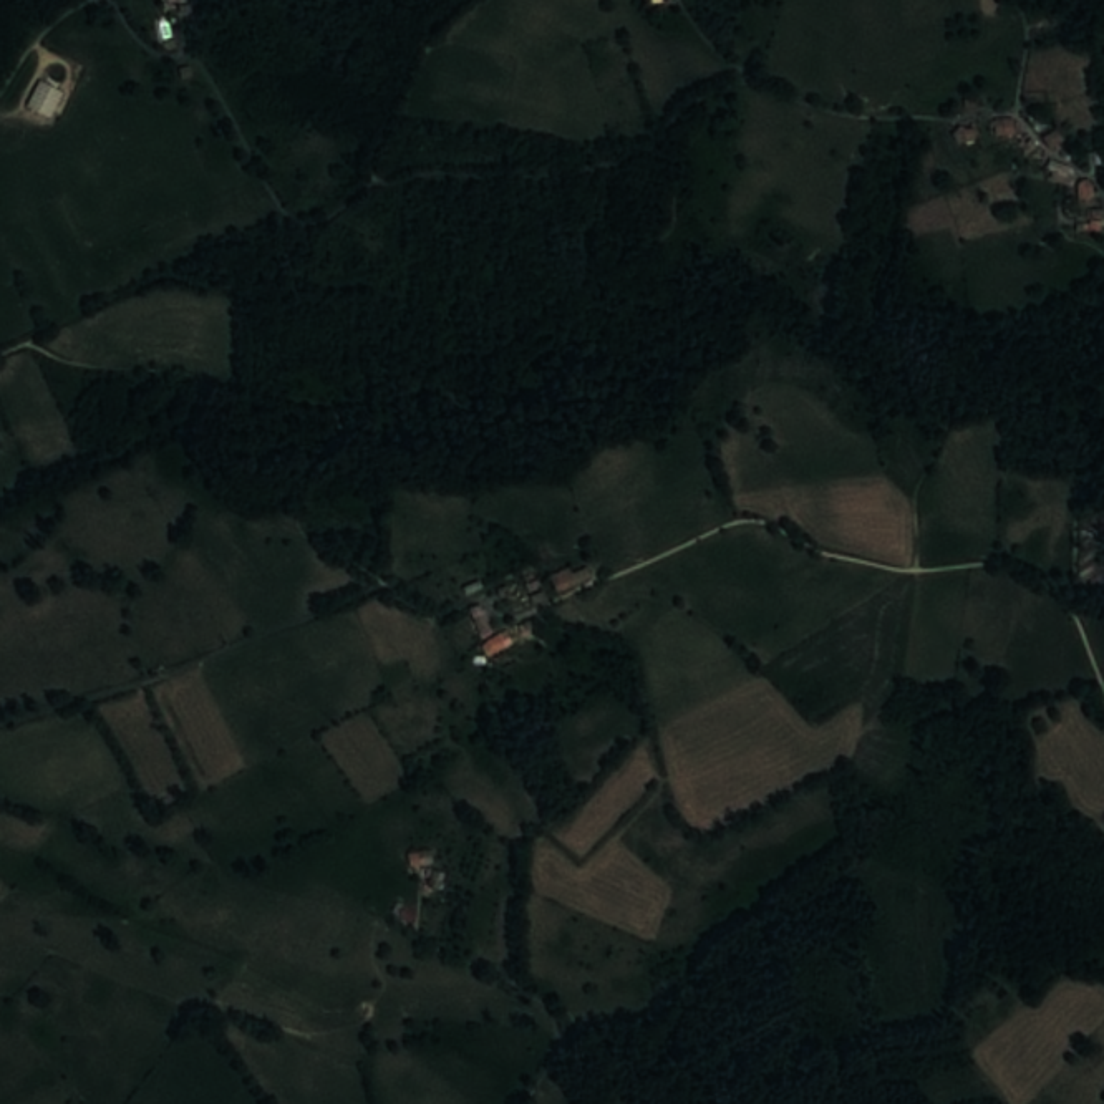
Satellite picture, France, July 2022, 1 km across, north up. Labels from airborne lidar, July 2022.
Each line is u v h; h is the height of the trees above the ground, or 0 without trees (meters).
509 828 0
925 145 16
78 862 0
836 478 0
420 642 0
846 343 30
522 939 18
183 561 0
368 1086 9
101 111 0
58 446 0
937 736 17
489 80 0
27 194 0
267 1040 20
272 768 0
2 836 0
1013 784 21
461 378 28
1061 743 0
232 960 0
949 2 0
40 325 13
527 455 31
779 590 0
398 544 0
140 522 0
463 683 0
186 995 0
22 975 0
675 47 0
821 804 0
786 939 30
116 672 0
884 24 0
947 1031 24
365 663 0
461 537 0
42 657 0
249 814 0
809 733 0
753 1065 34
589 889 0
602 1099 25
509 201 16
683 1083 24
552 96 0
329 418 8
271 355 14
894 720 12
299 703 0
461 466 24
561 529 0
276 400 16
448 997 0
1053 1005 0
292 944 0
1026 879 22
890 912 0
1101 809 0
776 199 0
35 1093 0
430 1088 0
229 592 0
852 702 0
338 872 0
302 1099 0
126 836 0
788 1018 26
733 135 13
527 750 27
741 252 13
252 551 0
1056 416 16
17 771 0
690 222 6
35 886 0
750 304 17
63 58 0
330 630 0
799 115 0
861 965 23
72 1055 0
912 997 0
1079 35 20
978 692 0
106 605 0
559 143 11
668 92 0
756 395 0
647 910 0
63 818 0
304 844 11
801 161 0
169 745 7
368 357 15
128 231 0
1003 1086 0
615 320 29
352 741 0
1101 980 19
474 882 9
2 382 0
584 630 16
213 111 10
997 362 24
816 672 0
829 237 0
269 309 20
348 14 19
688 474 0
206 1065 0
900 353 22
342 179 13
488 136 15
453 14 14
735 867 0
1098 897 12
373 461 23
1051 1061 0
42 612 0
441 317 7
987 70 0
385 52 13
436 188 14
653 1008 0
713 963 24
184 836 0
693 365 15
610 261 30
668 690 0
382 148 18
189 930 0
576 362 31
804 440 0
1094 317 19
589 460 14
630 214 14
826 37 0
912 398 20
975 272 0
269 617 0
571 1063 25
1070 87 0
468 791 0
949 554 0
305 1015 0
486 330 21
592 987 7
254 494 14
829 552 0
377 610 0
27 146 0
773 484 0
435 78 0
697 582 0
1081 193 0
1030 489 0
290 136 0
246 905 0
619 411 21
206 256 21
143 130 0
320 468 26
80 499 0
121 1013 0
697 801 0
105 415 12
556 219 22
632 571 0
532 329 27
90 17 14
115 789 0
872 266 27
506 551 9
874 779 0
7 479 0
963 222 0
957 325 27
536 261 22
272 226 13
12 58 16
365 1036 10
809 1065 28
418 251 15
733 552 0
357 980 0
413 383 26
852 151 0
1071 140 9
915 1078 9
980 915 25
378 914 0
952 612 0
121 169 0
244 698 0
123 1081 0
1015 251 0
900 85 0
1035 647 0
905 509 0
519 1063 0
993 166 0
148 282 7
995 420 8
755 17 0
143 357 0
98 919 0
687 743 0
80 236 0
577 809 9
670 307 20
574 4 0
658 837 0
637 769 0
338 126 12
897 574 0
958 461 0
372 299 22
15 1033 0
